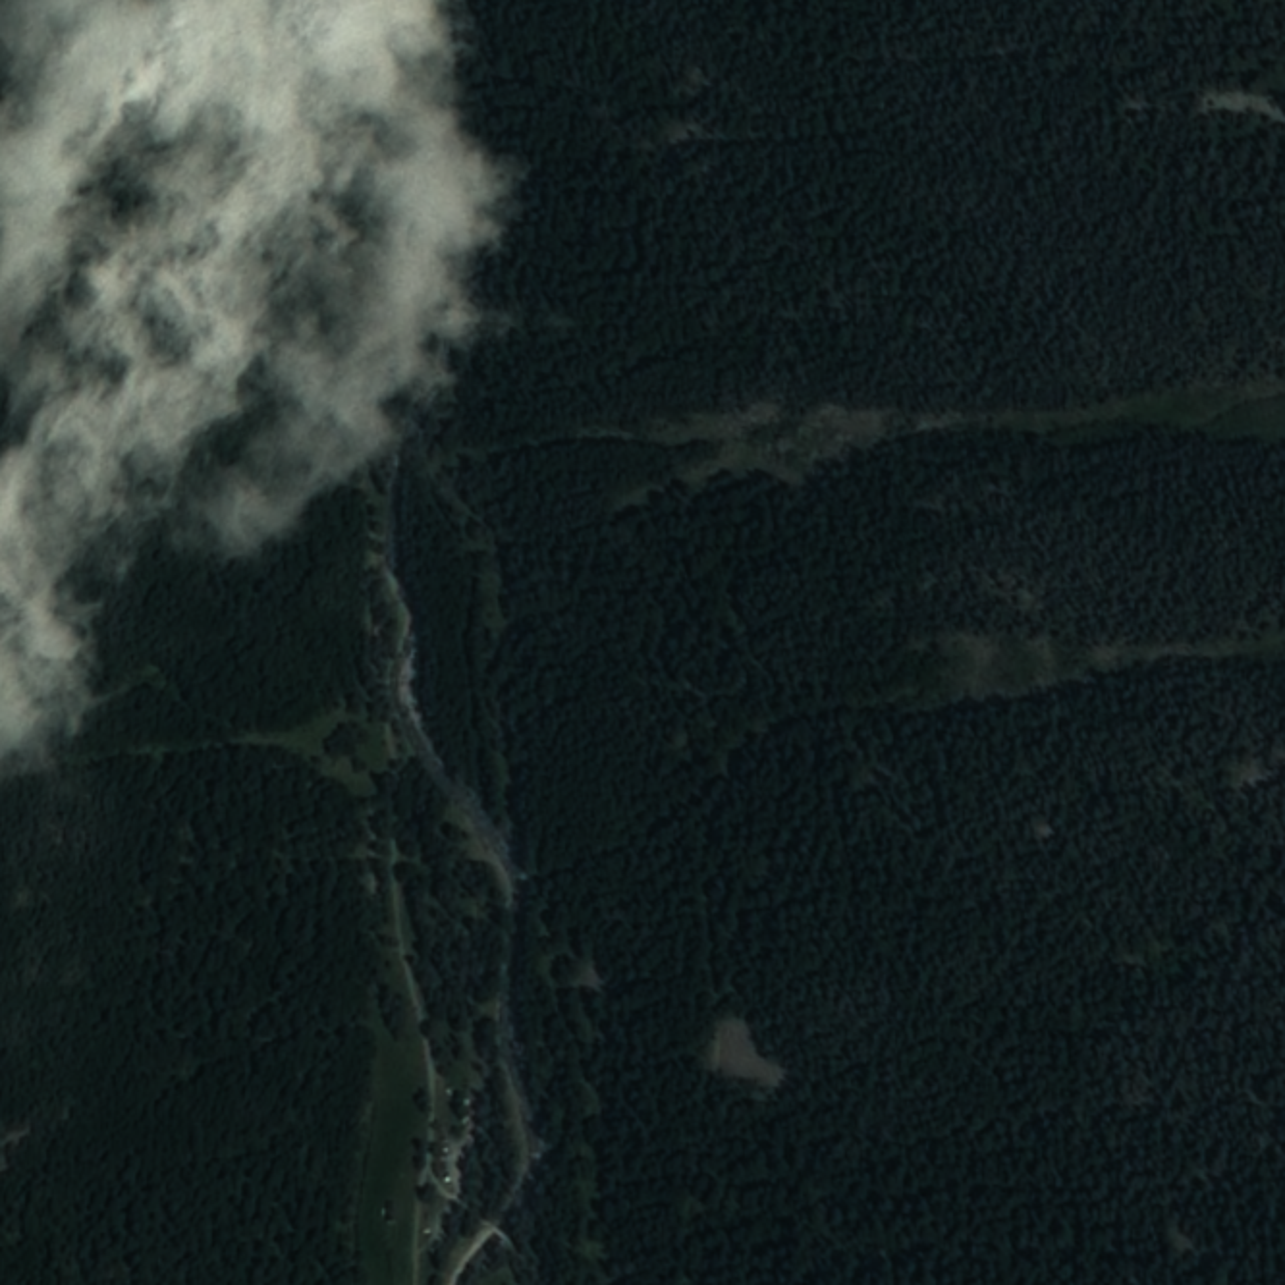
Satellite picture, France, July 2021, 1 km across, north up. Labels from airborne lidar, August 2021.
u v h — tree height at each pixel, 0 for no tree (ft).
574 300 83
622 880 61
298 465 91
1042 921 44
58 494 82
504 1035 0
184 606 107
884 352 51
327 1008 89
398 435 67
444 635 76
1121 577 54
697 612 58
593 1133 55
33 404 73
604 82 67
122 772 90
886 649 103
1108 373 43
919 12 73
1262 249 50
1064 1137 76
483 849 0
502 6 96
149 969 77
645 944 81
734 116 66
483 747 42
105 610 65
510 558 81
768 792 96
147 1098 87
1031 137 40
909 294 37
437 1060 45
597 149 26
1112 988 82
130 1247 125
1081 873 61
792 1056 49
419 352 60
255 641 106
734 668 81
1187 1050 69
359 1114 86
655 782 68
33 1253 76
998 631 39
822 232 72
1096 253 48
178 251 63
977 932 86
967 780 59
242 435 73
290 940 89
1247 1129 65
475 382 58
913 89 56
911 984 33
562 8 65
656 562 87
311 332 67
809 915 116
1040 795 72
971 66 60
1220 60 58
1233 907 88
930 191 34
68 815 51
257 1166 100
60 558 72
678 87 42
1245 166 45
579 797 91
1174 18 25
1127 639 43
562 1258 91
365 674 86
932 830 55
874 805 75
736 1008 62
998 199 43
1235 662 21
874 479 52
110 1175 109
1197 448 57
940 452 51
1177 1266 92
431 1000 54
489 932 94
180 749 25
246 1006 103
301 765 86
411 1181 0
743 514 47
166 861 96
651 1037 100
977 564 37
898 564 49
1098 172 58
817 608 73
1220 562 72
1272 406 0
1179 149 41
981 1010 75
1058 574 46
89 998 91
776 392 26
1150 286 52
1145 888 69
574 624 42
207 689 79
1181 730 66
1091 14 64
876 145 72
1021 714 82
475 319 38
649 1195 71
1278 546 42
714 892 72
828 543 81
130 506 80
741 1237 102
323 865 61
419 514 84
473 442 50
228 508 99
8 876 42
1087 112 42
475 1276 68
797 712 31
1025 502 37
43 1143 45
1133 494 32
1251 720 32
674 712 85
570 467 65
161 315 41
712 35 53
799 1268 105
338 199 71
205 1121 76
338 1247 40
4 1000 42
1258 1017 63
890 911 93
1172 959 27
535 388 47
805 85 73
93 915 69
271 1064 100
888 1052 75
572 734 84
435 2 0
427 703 94
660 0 52
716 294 52
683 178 103
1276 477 62
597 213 86
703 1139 37
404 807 90
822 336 67
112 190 84
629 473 73
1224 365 52
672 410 46
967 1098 77
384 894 62
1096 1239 111
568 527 71
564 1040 83
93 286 65
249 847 103
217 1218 89
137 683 41
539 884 30
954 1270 107
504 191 85
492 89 70
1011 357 45
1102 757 42
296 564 82
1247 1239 91
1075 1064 68
